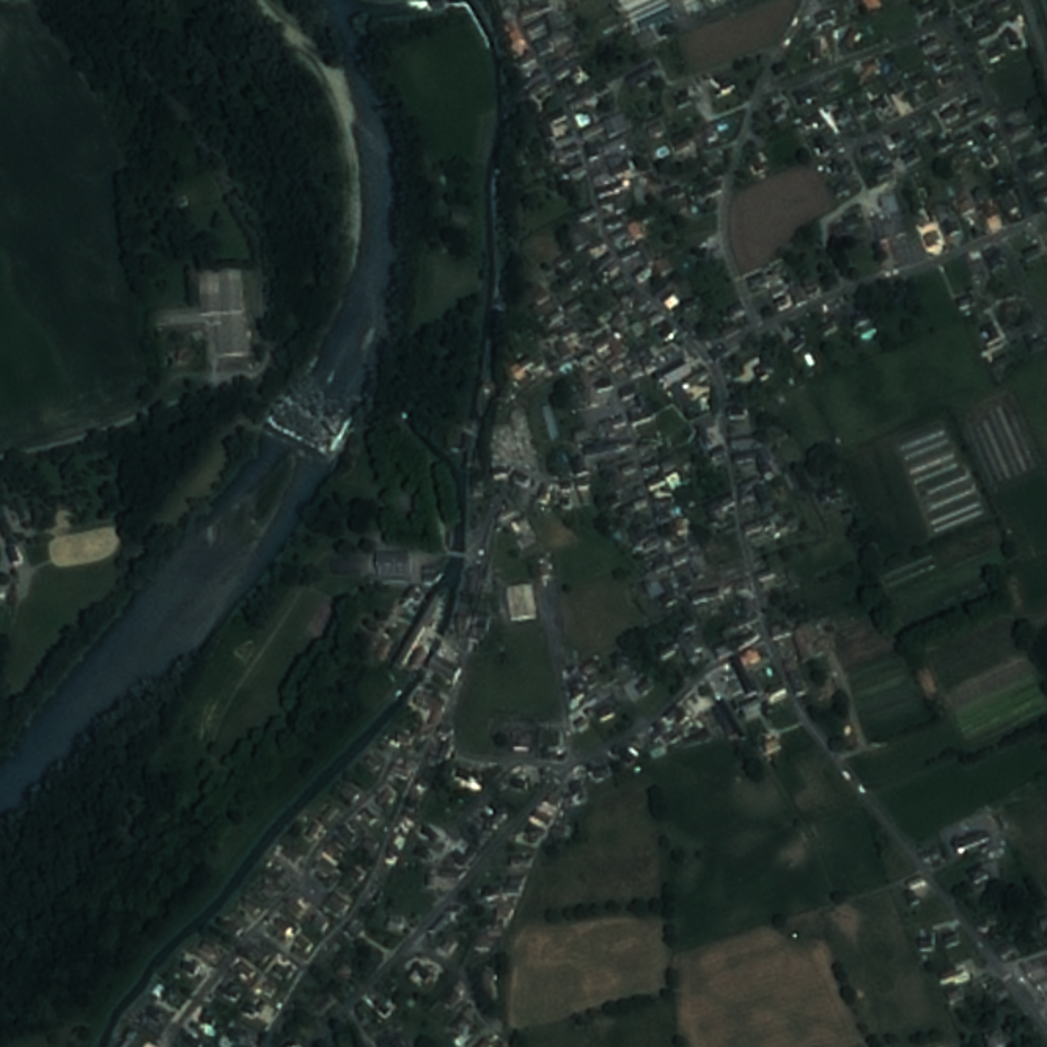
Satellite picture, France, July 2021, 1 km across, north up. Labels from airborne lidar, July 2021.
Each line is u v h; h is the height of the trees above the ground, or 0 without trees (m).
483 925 6
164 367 7
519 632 0
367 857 6
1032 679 0
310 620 0
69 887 13
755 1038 0
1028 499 0
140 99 13
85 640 13
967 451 7
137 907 30
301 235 13
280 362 19
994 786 0
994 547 0
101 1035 0
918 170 0
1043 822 0
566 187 18
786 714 0
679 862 11
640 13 0
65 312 0
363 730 0
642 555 7
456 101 0
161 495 20
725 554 0
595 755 0
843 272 10
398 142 30
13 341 0
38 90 0
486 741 0
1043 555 0
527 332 7
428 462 16
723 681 0
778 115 0
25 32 0
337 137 13
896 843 0
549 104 11
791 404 0
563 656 0
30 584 0
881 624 23
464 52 0
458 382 11
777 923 10
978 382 0
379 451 20
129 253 18
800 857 0
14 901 24
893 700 0
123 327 0
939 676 0
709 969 0
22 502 9
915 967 0
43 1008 27
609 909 10
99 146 0
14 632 0
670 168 24
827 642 0
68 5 19
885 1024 0
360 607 24
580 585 0
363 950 9
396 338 20
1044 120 9
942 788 0
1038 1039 9
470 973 6
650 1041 0
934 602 0
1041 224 0
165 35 19
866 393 0
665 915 11
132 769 24
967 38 7
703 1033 0
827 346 13
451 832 0
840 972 11
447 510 20
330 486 11
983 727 0
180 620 0
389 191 0
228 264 17
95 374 0
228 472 12
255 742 16
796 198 0
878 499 0
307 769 10
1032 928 9
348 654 31
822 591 0
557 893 0
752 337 8
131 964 18
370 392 22
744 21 0
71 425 0
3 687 15
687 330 0
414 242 20
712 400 8
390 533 16
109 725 20
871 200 0
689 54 0
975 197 10
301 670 18
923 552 8
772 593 7
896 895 0
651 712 0
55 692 21
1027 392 0
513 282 11
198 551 0
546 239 0
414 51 0
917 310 11
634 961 0
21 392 0
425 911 0
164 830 24
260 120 15
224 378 0
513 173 13
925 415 0
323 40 19
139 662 0
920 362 0
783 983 0
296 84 31
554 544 0
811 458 12
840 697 9
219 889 0
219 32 25
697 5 0
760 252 0
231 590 0
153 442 22
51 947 14
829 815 0
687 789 0
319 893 0
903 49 0
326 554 0
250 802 27
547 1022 0
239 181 15
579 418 0
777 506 8
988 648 0
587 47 8
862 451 0
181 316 0
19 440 0
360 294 0
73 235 0
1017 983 0
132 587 13
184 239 19
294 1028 14
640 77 0
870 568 14
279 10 0
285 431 0
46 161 0
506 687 0
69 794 32
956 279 0
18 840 32
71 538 0
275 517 0
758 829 0
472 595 8
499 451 0
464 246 13
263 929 0
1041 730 10
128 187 19
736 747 7
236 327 0
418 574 0
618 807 0
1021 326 6
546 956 0
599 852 0
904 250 0
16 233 0
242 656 0
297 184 24
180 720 22
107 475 16
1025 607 0
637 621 0
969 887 11
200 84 25
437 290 0
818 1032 0
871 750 0
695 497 17
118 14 23
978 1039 9
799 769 0
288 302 14
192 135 11
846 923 0
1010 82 0
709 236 0
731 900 0
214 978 0
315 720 26
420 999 14
